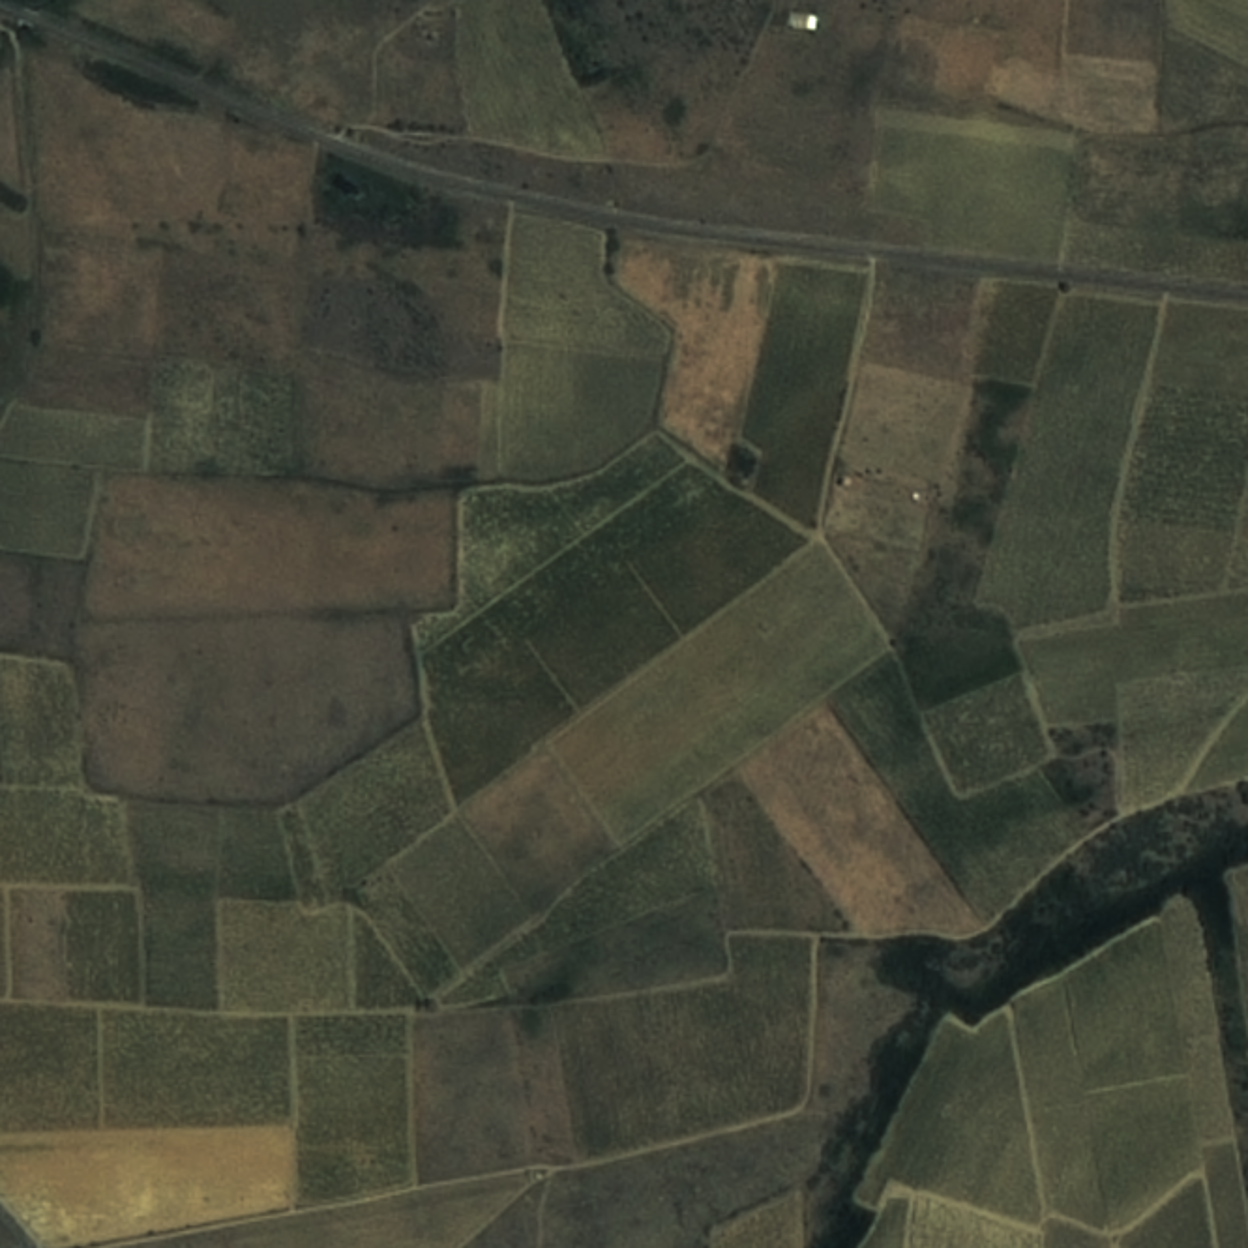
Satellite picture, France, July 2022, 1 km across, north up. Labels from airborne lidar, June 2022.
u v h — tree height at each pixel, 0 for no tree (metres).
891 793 0
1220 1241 0
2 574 0
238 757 0
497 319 0
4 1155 0
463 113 0
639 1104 0
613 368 0
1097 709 0
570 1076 0
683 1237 0
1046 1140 0
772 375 0
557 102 0
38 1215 0
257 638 0
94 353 0
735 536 0
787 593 0
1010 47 0
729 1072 0
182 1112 0
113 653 0
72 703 0
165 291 0
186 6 0
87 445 0
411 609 0
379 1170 0
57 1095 0
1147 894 8
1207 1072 0
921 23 0
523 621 0
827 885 0
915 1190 0
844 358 0
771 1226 0
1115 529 0
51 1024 0
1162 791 0
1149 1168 0
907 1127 0
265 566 0
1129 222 0
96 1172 0
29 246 0
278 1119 0
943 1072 0
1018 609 0
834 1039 0
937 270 0
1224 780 0
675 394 0
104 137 0
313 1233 0
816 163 0
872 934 0
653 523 0
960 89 0
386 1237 0
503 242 0
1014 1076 0
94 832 0
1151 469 0
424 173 0
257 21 0
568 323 0
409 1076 0
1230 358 0
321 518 0
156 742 0
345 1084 0
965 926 0
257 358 0
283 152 0
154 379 0
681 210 0
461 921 0
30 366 0
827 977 0
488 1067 0
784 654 0
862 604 0
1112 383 0
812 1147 0
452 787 0
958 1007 6
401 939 0
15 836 0
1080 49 0
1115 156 0
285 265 0
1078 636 0
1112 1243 0
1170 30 0
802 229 0
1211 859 8
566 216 0
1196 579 0
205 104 0
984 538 0
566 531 0
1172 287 0
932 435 0
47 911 0
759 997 0
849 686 0
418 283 0
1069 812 0
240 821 0
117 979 0
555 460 0
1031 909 6
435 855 0
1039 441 0
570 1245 0
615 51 0
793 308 0
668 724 0
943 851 0
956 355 0
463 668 0
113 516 0
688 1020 0
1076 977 0
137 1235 0
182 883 0
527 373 0
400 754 0
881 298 0
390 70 0
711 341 0
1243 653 0
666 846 0
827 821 0
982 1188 0
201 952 0
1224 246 0
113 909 0
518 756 0
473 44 0
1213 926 7
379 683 0
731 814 0
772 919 0
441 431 0
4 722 0
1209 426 0
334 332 0
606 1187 0
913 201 0
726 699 0
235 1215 0
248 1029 0
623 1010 0
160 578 0
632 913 0
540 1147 0
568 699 0
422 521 0
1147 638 0
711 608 0
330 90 0
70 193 0
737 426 0
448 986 0
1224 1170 0
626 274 0
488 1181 0
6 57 0
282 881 0
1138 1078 0
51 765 0
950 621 0
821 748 0
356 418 0
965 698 0
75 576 0
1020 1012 0
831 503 0
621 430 0
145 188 0
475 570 0
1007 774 0
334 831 0
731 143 0
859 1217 8
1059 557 0
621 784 0
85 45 0
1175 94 0
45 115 0
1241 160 0
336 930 0
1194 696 0
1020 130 0
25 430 0
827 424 0
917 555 0
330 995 0
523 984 0
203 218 0
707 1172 0
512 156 0
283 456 0
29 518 0
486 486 0
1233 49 0
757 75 0
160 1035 0
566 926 0
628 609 0
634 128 0
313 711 0
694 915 0
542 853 0
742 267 0
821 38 0
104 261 0
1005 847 0
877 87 0
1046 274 0
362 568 0
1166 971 0
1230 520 0
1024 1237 0
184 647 0
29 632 0
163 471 0
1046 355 0
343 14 0
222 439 0
